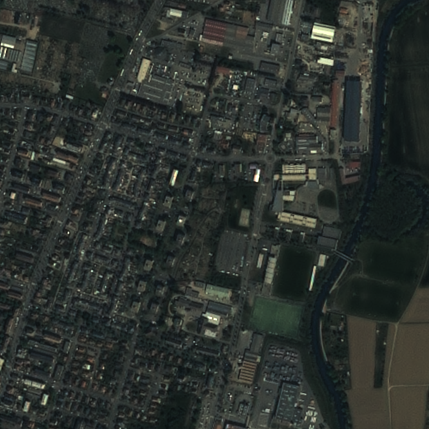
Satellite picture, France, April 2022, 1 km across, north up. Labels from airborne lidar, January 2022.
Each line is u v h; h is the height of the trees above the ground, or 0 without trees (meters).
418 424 0
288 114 0
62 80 11
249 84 0
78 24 0
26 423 16
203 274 0
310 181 0
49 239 18
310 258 0
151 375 0
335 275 0
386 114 13
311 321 0
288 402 0
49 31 0
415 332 0
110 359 5
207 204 0
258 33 0
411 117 0
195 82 0
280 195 0
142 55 0
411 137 0
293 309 0
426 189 15
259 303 0
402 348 0
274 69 0
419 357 0
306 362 0
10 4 0
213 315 0
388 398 0
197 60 16
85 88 0
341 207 5
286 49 0
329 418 0
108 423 0
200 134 0
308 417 0
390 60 7
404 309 0
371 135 7
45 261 19
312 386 0
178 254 11
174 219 18
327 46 0
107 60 0
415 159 0
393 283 0
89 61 0
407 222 19
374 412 0
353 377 0
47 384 0
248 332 0
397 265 0
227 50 0
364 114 0
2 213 0
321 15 0
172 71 0
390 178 16
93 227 0
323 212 0
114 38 18
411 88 0
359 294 0
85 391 0
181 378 0
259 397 0
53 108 0
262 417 0
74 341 0
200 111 0
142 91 0
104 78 0
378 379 0
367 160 11
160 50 0
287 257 0
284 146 0
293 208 0
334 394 0
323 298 0
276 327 0
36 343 0
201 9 0
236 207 0
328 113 0
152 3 19
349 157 20
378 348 0
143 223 0
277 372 0
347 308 0
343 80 0
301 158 0
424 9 0
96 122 0
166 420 0
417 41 0
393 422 0
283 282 0
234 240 0
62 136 0
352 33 0
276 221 0
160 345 11
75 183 19
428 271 0
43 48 0
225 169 0
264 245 0
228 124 0
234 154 0
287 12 0
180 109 17
